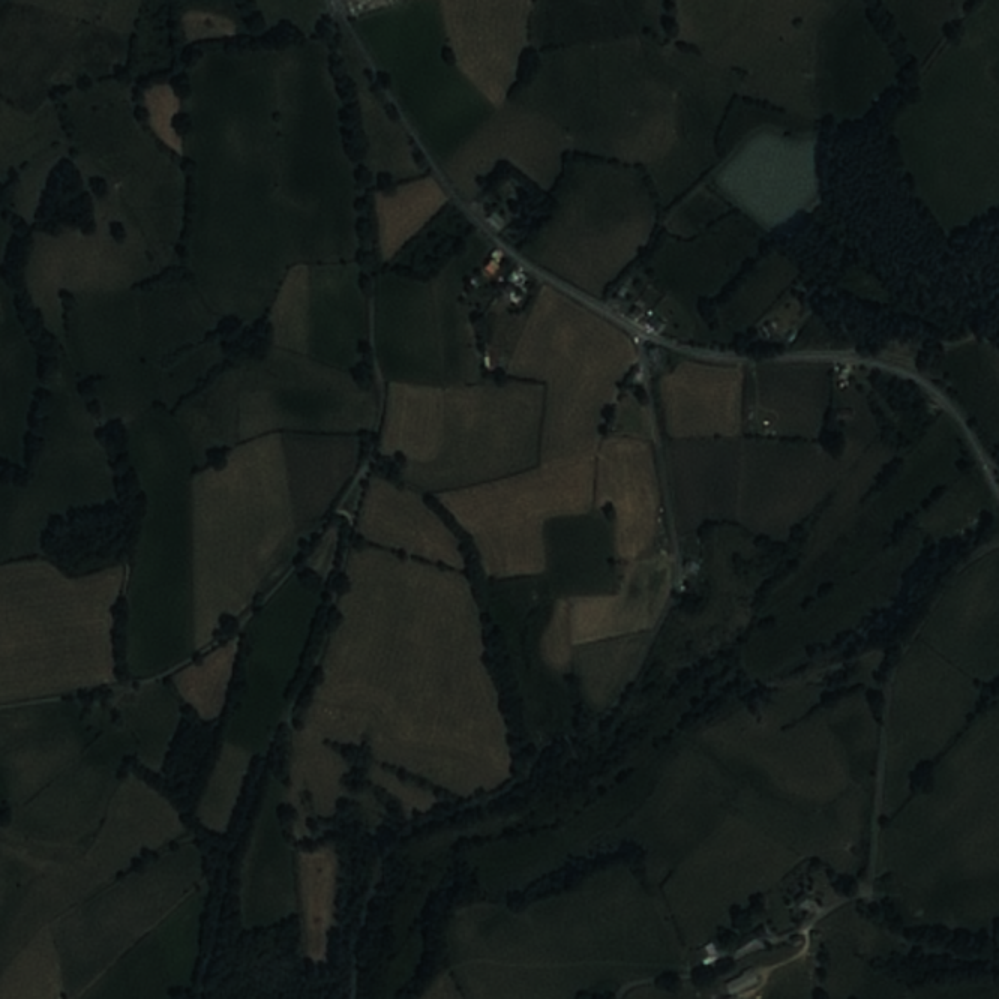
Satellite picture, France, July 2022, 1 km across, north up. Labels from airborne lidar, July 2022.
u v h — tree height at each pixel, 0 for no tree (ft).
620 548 0
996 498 0
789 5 0
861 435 0
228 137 0
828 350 0
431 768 0
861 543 0
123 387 0
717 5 0
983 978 70
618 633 0
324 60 0
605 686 0
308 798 24
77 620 0
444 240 23
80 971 0
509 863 0
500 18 0
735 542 0
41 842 0
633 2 0
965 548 60
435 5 0
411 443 0
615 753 37
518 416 0
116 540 58
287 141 0
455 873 20
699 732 0
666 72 0
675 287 0
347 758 50
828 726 0
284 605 0
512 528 0
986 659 0
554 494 0
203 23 0
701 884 0
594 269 0
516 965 0
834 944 0
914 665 0
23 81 0
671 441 0
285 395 0
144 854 45
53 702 0
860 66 0
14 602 0
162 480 0
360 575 0
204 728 50
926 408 24
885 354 0
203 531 0
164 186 0
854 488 0
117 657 43
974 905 0
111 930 0
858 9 0
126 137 0
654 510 0
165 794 49
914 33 0
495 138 0
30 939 0
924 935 47
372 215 24
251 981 23
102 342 0
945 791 0
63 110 24
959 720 0
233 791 0
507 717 39
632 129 0
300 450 0
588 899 0
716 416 0
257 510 0
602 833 0
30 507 0
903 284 64
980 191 0
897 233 86
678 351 0
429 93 0
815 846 0
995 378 0
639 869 47
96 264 0
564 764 76
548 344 0
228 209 0
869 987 0
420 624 0
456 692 0
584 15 0
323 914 0
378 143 0
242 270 0
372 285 48
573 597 0
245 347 72
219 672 0
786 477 0
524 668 0
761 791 0
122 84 35
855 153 90
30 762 0
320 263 19
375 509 0
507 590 0
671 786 0
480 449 0
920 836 0
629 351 0
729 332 0
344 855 37
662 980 36
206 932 42
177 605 0
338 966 73
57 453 0
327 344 0
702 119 0
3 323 0
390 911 25
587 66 0
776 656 0
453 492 0
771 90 0
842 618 0
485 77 0
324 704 0
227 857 37
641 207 0
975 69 0
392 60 0
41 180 0
